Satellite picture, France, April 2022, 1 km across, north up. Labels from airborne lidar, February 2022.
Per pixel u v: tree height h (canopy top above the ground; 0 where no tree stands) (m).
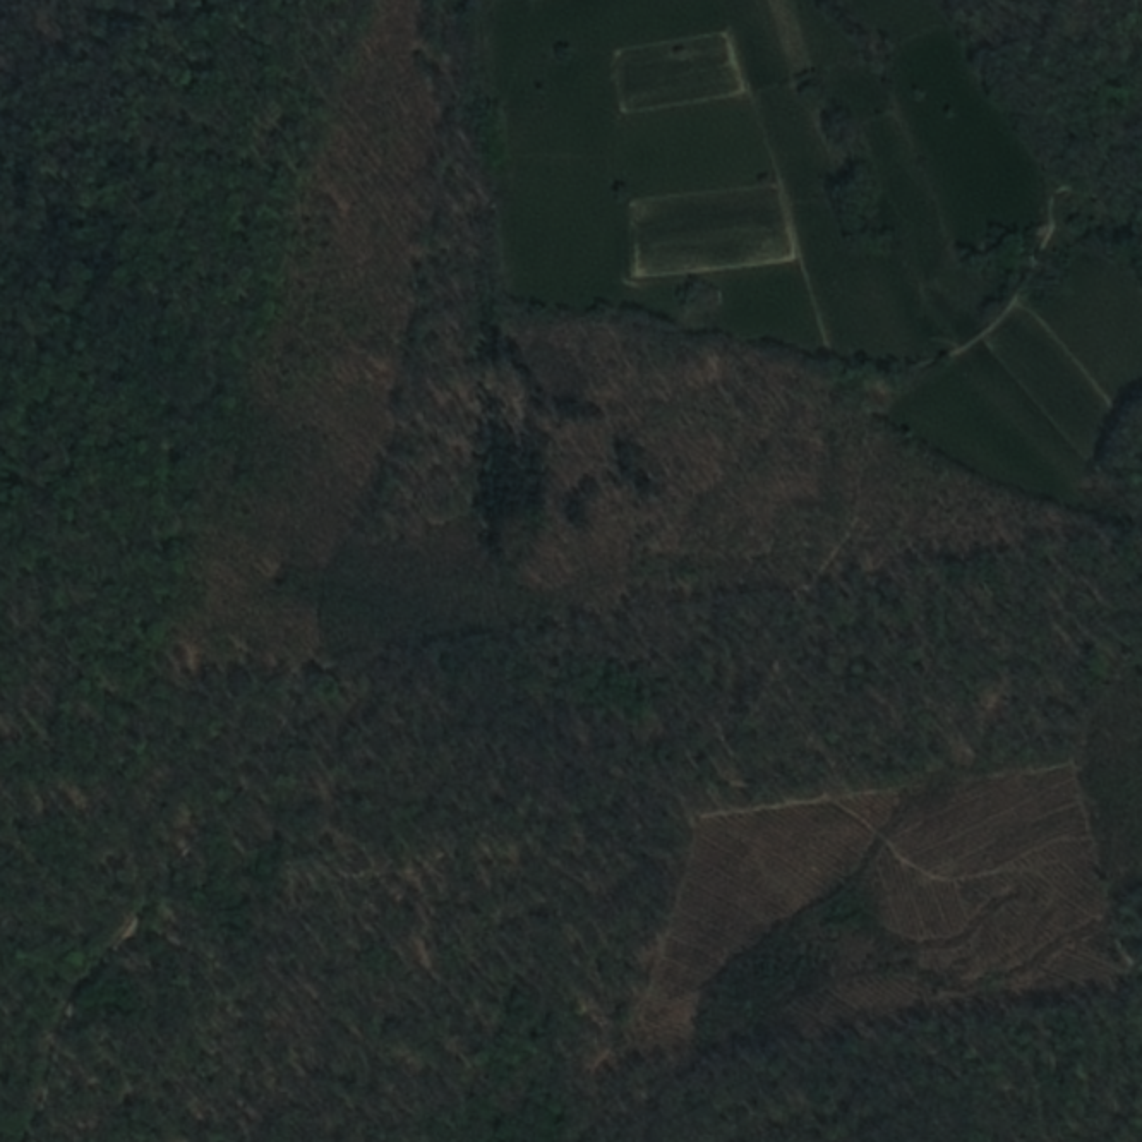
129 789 33
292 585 16
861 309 0
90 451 31
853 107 0
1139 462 33
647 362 15
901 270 0
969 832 0
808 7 0
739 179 0
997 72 27
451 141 26
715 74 0
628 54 0
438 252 15
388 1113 30
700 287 15
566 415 23
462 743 30
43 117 33
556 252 0
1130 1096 0
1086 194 31
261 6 29
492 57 0
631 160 0
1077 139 12
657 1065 0
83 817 30
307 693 24
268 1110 0
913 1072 31
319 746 30
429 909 31
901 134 0
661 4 0
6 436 34
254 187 29
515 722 31
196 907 28
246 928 22
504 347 24
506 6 0
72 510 30
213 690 29
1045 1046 30
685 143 0
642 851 29
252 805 27
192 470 36
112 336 31
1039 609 30
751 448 0
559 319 13
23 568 29
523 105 0
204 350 30
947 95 0
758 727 31
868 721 27
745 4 0
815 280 0
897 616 30
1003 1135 0
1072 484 0
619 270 0
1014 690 29
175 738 31
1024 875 0
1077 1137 27
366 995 0
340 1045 0
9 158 32
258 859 29
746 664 32
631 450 24
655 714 29
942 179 0
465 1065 0
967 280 0
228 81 28
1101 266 0
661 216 0
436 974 0
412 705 26
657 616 26
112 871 0
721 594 0
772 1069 35
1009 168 0
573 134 0
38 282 34
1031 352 0
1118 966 0
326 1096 0
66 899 0
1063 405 0
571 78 0
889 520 18
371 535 24
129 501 32
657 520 0
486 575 10
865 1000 0
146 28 29
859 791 30
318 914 0
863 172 27
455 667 28
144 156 29
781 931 14
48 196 32
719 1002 16
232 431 25
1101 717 31
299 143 33
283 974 0
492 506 20
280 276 28
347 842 27
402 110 0
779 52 0
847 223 22
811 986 6
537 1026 25
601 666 26
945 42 0
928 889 0
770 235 0
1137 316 0
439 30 28
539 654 26
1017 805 0
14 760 28
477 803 26
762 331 0
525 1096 28
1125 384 0
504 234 11
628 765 31
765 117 0
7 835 25
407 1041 33
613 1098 27
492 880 0
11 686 27
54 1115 28
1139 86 29
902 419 0
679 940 0
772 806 27
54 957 31
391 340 12
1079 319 0
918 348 0
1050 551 28
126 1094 33
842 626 33
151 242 29
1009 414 0
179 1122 33
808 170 0
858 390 23
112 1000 22
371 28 27
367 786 30
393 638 17
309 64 29
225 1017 0
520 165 0
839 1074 28
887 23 0
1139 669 33
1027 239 8
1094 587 30
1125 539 30
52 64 33
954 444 0
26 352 30
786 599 26
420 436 28
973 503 16
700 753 26
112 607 29
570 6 0
